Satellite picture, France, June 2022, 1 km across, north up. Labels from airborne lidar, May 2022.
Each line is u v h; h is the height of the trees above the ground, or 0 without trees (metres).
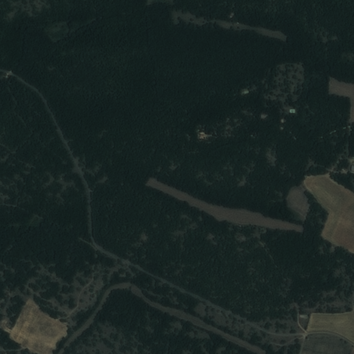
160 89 13
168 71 7
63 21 8
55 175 7
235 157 10
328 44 10
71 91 9
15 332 0
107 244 10
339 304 0
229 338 0
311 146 13
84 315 8
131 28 7
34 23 12
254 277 7
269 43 16
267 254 8
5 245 17
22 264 11
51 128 8
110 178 9
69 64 5
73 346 8
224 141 8
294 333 8
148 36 13
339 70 13
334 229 0
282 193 7
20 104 10
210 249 10
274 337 0
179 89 12
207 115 12
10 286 9
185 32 15
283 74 7
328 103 12
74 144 9
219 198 13
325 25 11
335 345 0
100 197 8
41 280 7
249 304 10
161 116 12
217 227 12
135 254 9
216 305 7
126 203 13
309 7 9
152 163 10
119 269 6
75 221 8
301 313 6
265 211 15
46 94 9
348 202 0
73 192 8
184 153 8
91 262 13
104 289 7
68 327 6
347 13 13
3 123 9
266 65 13
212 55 14
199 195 12
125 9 15
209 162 11
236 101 10
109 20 14
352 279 7
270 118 14
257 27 10
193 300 10
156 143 10
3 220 15
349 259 10
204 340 9
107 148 8
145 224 8
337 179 11
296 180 11
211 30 16
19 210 13
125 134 6
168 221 9
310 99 15
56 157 7
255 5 7
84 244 10
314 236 12
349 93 0
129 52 6
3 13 7
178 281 8
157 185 0
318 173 12
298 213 0
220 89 12
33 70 6
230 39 16
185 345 11
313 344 0
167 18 15
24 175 9
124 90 7
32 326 0
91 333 8
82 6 9
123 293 11
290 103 11
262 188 11
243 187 11
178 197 0
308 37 9
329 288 8
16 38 6
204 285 9
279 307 8
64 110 12
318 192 0
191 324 8
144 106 11
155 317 8
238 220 0
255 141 10
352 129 10
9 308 7
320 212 9
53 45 12
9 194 9
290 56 14
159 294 9
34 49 12
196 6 8
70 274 9
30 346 0
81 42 8
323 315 0
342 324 0
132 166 12
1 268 10
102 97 11
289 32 16
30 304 0
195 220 13
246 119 10
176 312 0
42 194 8
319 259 9
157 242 8
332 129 8
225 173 8
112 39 7
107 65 9
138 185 12
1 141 6
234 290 9
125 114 11
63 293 9
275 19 8
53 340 0
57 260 11
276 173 12
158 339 9
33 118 8
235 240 6
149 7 7
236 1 10
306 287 10
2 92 13
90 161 8
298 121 12
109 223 13
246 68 11
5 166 9
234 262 9
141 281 8
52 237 15
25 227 8
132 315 8
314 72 6
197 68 10
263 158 10
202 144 8
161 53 11
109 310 9
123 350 6
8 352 9
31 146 10
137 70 6
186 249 8
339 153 11
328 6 9
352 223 0
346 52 11
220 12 14
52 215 9
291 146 14
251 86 8
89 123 10
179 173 8
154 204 10
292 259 8
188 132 12
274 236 9
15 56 7
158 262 8
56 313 6
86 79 10
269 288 13
